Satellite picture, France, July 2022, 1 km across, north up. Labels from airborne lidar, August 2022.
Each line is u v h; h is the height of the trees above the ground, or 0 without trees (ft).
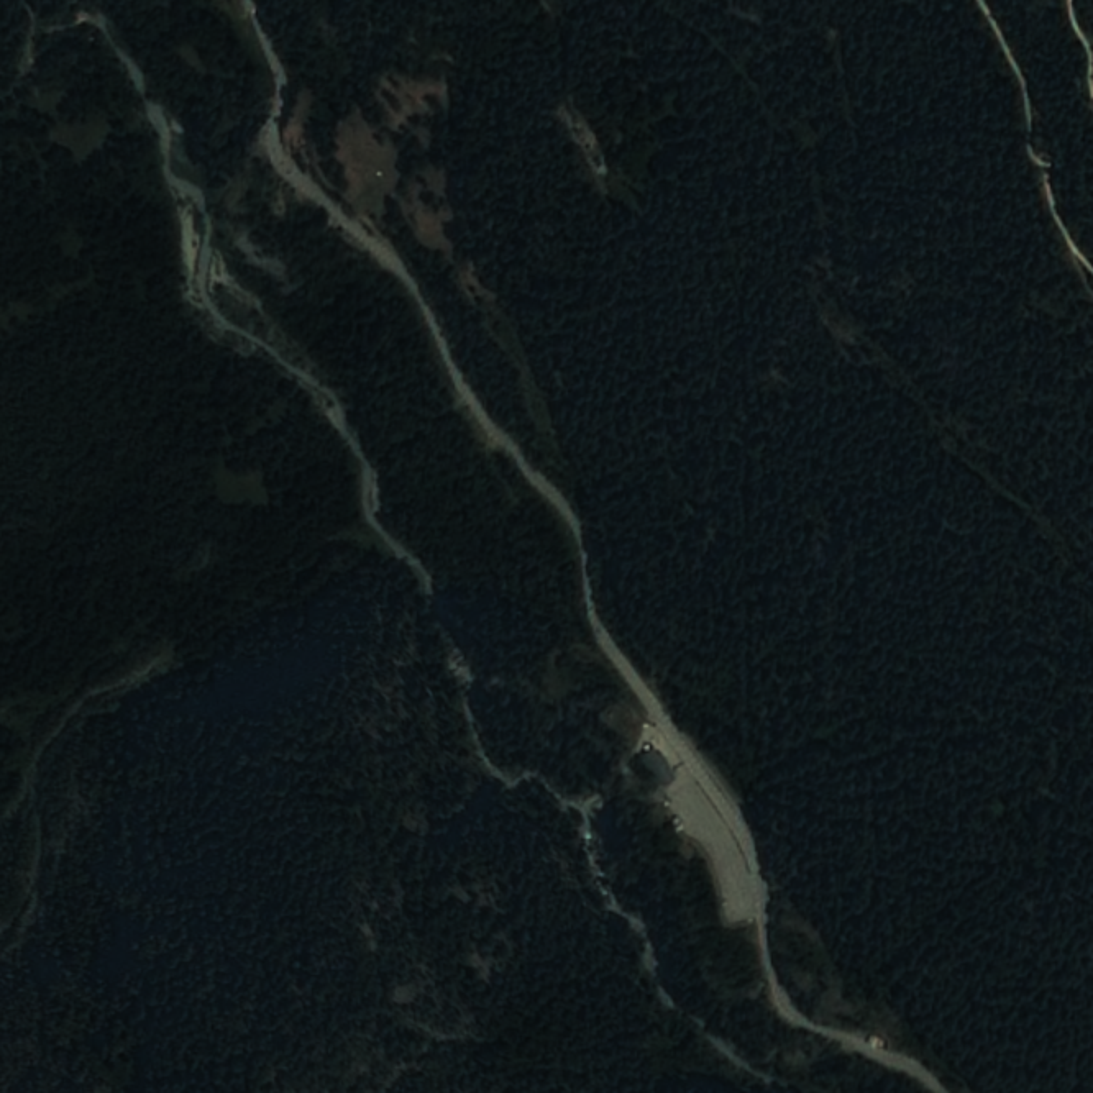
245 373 66
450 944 88
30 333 29
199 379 56
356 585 51
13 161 67
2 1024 40
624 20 86
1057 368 86
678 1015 21
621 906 35
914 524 78
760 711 45
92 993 38
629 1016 83
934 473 60
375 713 90
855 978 48
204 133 57
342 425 0
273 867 104
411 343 74
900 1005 77
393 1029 111
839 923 88
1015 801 59
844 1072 76
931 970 69
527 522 51
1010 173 81
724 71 84
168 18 59
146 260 46
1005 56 23
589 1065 54
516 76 73
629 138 50
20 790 51
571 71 62
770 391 32
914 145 88
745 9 79
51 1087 45
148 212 62
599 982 71
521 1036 56
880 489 104
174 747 76
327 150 39
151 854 99
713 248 56
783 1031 60
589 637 35
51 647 61
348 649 49
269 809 78
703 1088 64
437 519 72
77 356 53
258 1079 80
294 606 39
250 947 116
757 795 54
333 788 53
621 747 52
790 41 41
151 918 54
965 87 90
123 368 25
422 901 36
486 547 64
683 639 23
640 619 99
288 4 95
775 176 74
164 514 58
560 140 60
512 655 53
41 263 36
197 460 58
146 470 20
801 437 85
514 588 70
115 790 66
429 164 53
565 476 22
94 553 52
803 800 72
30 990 63
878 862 47
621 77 63
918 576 84
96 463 45
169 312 30
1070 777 31
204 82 67
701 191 90
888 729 54
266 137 0
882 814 85
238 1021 64
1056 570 88
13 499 41
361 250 24
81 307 34
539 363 55
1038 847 86
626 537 46
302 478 52
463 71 52
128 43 37
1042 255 77
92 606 53
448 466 49
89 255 37
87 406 35
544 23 64
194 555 65
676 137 72
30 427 31
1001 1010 68
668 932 73
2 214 46
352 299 74
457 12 95
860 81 51
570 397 21
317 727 81
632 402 58
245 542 52
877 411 95
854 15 63
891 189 56
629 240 88
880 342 31
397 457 83
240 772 56
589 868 40
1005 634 77
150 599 35
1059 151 49
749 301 89
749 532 73
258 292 20
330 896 64
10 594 36
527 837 88
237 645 108
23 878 38
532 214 71
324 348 46
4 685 51
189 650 38
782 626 106
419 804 73
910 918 47
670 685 31
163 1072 95
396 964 47
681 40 77
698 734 62
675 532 31
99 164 56
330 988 125
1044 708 96
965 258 61
